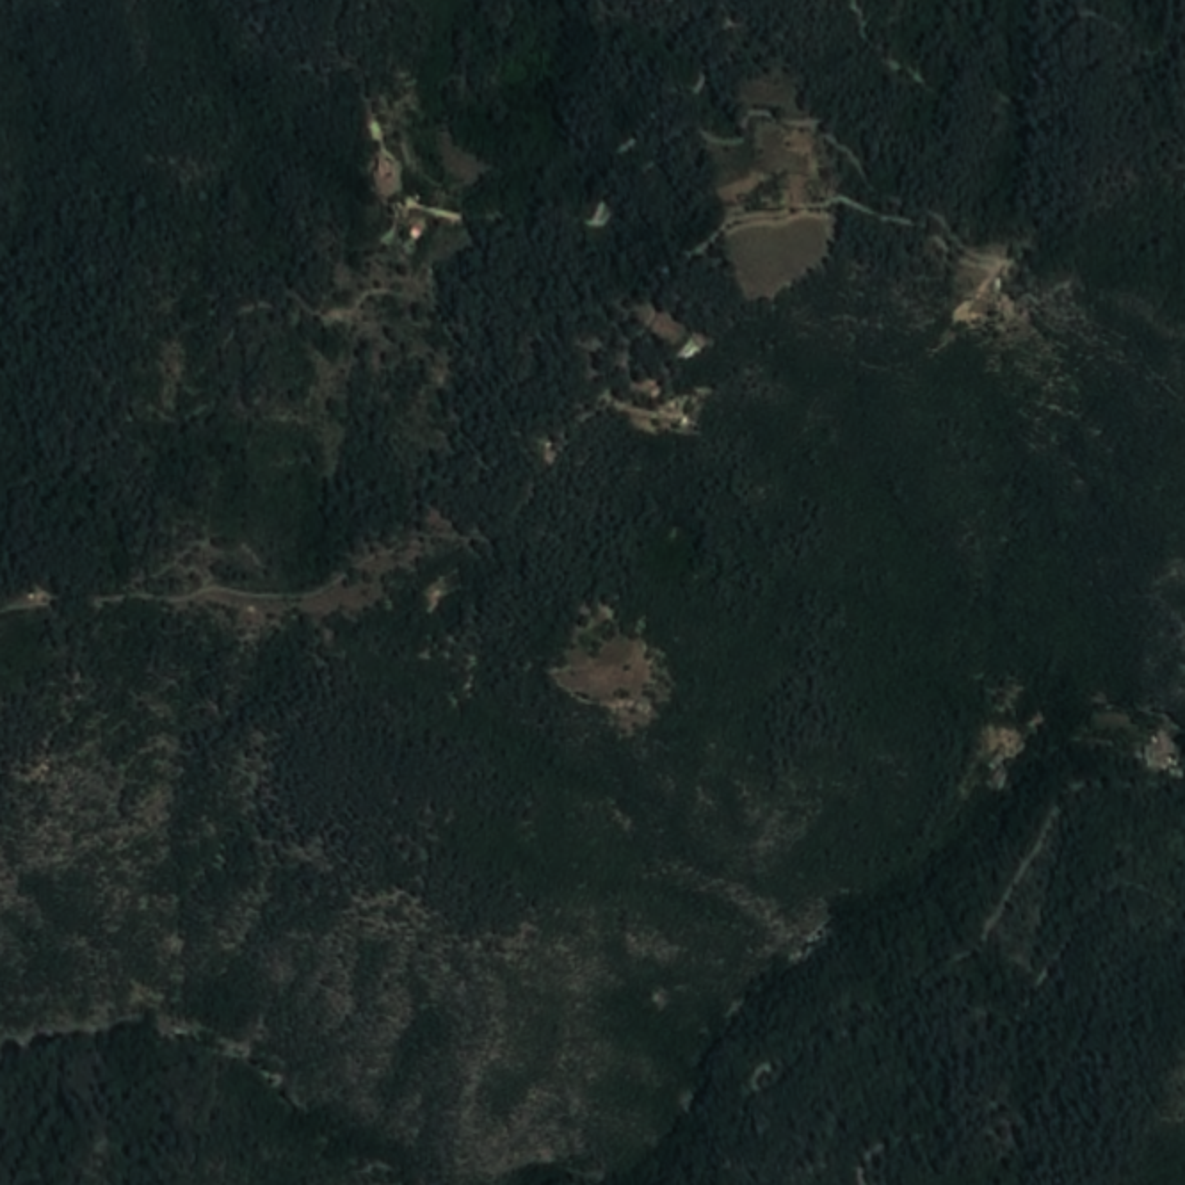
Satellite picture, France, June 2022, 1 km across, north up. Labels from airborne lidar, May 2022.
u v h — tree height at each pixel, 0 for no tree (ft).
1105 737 23
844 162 28
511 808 53
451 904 52
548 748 33
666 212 41
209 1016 30
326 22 50
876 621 29
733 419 31
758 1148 34
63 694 24
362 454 25
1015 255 25
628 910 21
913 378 20
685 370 24
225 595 0
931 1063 36
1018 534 45
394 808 52
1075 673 43
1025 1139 86
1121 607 32
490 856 35
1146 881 32
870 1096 19
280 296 56
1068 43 61
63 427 49
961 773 31
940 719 32
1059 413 29
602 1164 17
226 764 40
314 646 22
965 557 28
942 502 31
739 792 19
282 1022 26
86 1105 64
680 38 47
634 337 58
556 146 23
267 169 37
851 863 29
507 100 39
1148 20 45
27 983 37
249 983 28
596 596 73
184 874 24
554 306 60
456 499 54
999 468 29
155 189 32
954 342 20
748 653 25
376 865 44
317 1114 19
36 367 23
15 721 46
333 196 30
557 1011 20
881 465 33
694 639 20
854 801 23
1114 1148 74
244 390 26
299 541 26
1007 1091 69
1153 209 27
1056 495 36
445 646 58
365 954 31
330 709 51
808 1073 34
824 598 32
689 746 25
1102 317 19
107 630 28
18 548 51
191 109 42
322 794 43
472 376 47
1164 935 41
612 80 47
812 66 21
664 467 20
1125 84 65
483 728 30
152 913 20
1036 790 50
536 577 59
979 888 29
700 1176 52
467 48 27
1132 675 35
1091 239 24
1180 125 60
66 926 30
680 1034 33
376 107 21
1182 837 27
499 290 67
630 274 31
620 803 18
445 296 29
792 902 25
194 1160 22
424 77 26
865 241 62
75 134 36
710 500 29
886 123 68
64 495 73
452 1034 22
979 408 31
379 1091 27
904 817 27
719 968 20
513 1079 23
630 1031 30
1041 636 24
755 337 26
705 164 55
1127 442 29
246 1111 19
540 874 35
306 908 28
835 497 29
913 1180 27
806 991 39
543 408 42
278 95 32
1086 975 36
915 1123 36
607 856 22
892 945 31
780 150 0
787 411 23
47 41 30
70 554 53
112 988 28
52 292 75
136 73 22
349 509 31
